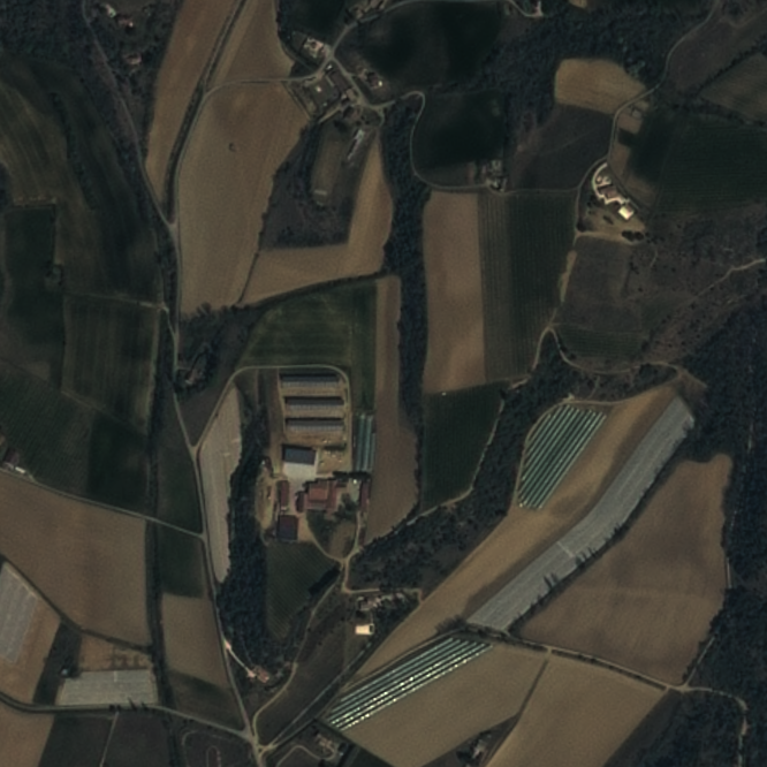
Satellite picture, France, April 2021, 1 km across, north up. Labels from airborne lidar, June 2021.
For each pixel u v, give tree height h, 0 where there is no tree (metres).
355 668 7
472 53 0
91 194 7
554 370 11
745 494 8
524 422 9
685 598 0
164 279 0
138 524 0
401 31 0
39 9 14
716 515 0
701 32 0
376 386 0
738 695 6
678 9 0
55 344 0
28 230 0
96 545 0
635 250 6
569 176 0
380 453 0
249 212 0
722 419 15
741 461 13
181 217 0
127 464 0
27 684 0
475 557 0
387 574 11
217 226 0
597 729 0
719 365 14
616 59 10
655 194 0
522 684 0
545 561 0
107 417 0
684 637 0
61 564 0
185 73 0
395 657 0
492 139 0
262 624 9
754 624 17
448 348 0
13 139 0
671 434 0
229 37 0
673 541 0
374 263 0
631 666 0
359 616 11
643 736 0
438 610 0
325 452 0
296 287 0
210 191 0
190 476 0
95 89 12
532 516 0
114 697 0
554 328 0
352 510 14
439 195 0
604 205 9
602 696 0
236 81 0
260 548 8
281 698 0
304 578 0
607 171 0
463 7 0
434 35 0
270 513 0
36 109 0
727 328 11
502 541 0
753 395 10
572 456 0
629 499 0
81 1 11
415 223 11
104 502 0
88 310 0
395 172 7
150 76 7
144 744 0
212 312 20
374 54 0
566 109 0
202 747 0
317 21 0
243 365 0
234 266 0
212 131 0
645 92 0
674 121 0
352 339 0
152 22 10
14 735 0
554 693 0
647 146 0
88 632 0
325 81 0
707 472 0
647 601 0
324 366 0
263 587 9
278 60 0
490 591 0
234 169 0
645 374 10
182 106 0
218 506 0
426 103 0
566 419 0
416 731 0
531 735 0
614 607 0
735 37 0
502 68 12
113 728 0
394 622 15
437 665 0
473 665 0
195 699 0
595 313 0
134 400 0
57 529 0
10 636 0
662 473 10
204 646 0
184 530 0
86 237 0
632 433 0
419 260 10
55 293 0
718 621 9
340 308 0
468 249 0
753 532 9
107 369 0
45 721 0
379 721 0
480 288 0
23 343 0
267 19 0
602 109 0
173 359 10
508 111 11
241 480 9
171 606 0
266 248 0
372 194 0
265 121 0
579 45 8
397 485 0
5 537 0
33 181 0
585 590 0
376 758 0
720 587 0
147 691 0
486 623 0
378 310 0
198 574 0
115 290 0
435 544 11
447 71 0
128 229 0
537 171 0
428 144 0
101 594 0
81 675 10
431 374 0
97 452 0
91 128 0
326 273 0
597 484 0
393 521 0
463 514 16
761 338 15
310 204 8
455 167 0
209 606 0
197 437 0
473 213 0
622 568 0
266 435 5
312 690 0
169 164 0
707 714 12
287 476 0
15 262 0
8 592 0
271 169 0
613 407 0
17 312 0
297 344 0
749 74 0
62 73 0
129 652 0
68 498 0
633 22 10
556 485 0
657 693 0
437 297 0
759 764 10
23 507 0
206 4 0
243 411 0
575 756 0
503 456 12
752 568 9
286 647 6
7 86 0
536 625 0
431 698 0
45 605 0
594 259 0
